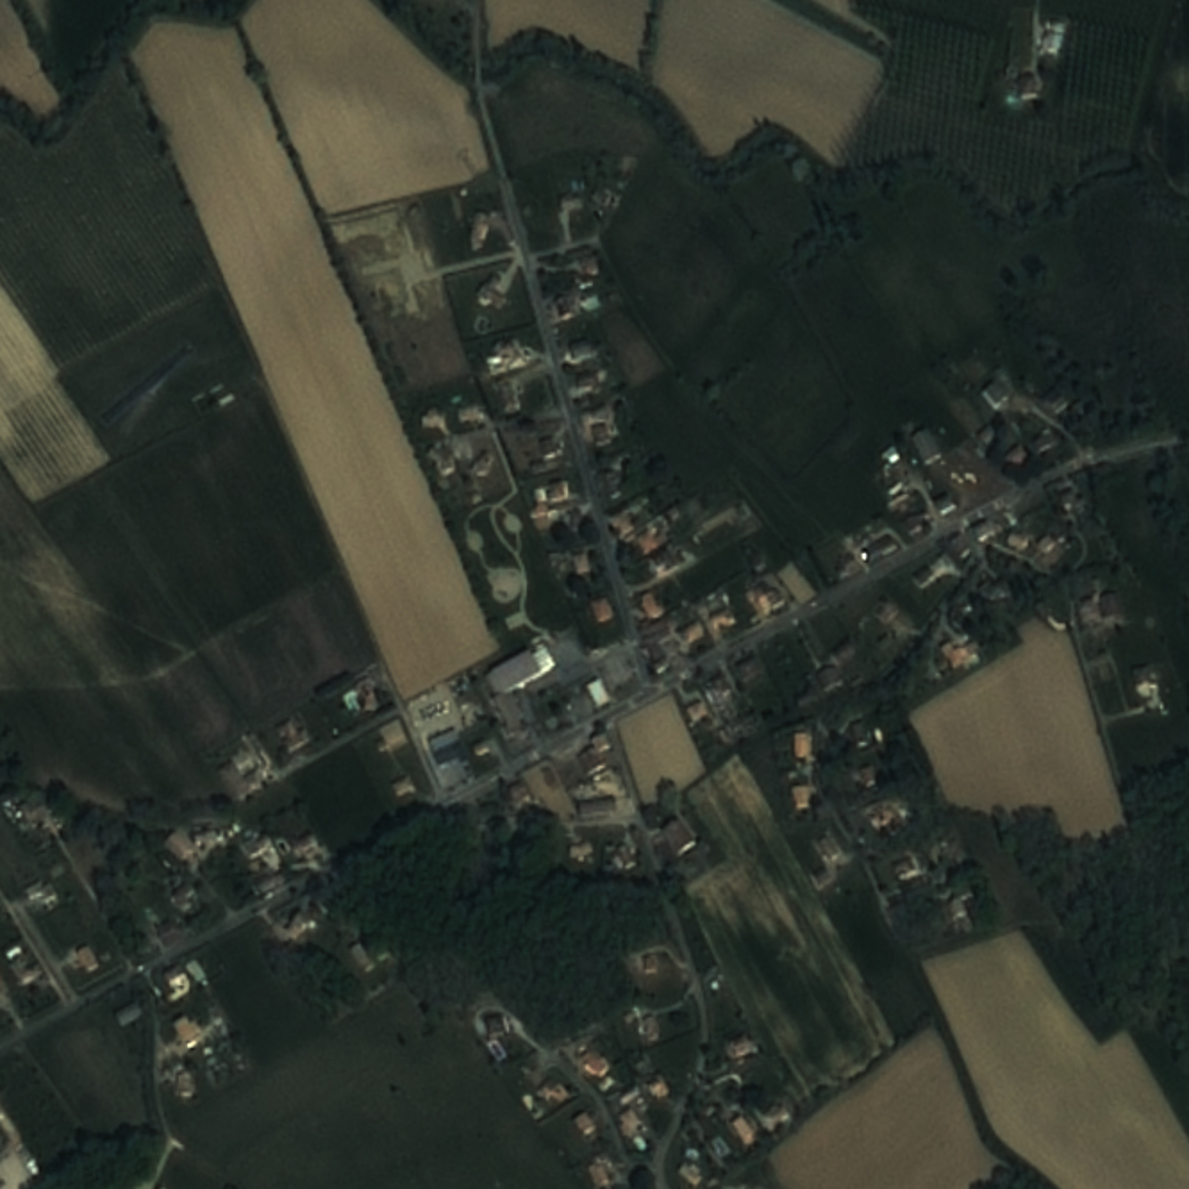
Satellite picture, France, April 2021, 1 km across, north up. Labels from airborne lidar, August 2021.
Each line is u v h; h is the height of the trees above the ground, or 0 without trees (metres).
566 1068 0
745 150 13
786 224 0
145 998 9
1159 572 0
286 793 0
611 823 0
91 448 0
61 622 0
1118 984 15
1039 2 0
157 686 0
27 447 0
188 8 15
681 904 18
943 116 23
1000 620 16
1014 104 0
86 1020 0
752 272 0
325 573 0
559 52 10
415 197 0
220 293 0
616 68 14
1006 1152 0
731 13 0
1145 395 9
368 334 7
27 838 7
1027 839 17
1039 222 27
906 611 0
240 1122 0
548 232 0
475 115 15
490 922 24
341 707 0
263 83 16
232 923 0
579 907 26
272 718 0
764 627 0
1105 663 0
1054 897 16
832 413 0
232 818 18
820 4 0
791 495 0
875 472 0
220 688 0
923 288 0
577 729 0
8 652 0
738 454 0
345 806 0
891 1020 0
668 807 13
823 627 0
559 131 0
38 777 0
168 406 0
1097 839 11
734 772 0
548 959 19
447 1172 0
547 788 0
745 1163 8
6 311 0
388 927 19
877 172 17
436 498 7
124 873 14
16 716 0
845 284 0
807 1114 13
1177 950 16
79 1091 0
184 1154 0
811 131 0
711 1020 0
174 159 11
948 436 0
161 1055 0
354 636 0
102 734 0
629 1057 7
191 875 7
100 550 0
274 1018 0
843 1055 0
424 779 0
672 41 0
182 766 0
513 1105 0
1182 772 15
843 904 0
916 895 16
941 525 0
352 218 0
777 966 0
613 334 0
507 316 0
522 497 0
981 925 18
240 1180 0
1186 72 0
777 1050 0
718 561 0
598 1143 11
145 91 12
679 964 0
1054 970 5
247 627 0
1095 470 6
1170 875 20
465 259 0
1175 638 0
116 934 14
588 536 13
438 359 0
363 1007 21
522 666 0
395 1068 0
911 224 0
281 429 0
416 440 6
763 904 0
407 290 0
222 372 0
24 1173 0
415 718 0
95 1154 16
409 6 14
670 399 0
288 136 8
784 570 0
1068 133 20
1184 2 0
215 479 0
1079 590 16
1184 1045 13
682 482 6
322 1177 0
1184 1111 0
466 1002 18
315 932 0
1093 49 21
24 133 9
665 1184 0
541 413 0
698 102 0
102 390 0
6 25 0
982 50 24
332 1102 0
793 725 6
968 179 15
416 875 24
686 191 0
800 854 0
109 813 11
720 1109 9
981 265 0
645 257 0
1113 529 6
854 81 0
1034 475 13
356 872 21
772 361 0
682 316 0
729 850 0
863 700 12
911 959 0
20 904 0
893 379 0
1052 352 12
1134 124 22
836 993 0
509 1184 0
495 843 15
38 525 0
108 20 0
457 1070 0
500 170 0
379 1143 0
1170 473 21
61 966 0
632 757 0
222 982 0
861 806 15
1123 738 0
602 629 0
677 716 0
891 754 10
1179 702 0
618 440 6
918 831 20
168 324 0
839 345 0
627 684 6
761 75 0
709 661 0
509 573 0
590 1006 20
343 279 10
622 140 0
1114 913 16
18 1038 0
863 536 0
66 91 13
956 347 0
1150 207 13
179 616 0
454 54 12
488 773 0
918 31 22
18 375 0
